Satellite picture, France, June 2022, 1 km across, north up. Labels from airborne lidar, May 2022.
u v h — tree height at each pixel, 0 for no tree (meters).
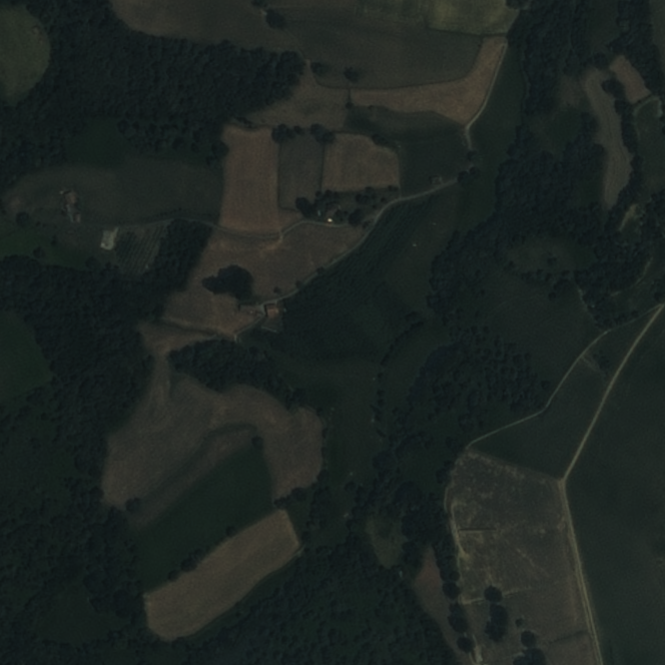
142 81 15
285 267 0
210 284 22
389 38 0
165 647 8
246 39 0
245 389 0
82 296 22
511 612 0
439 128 0
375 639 15
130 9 0
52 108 16
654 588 0
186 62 16
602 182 0
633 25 17
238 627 9
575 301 0
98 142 0
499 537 0
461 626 20
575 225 23
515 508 0
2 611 15
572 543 0
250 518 0
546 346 0
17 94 0
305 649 6
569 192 22
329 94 0
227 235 0
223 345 13
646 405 0
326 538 0
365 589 8
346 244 0
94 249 0
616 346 0
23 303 10
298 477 0
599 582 0
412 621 23
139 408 0
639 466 0
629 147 16
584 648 0
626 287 14
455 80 0
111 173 0
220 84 15
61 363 20
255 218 0
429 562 0
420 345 0
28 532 17
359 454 0
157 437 0
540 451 0
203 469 0
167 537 0
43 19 11
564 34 14
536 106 21
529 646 15
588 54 13
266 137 0
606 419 0
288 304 8
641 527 0
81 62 19
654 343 0
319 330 8
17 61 0
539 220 22
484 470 0
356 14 0
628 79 0
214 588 0
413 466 0
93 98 19
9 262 17
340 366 0
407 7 0
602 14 0
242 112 22
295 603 16
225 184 0
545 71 20
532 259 0
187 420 0
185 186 0
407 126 0
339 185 0
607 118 0
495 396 10
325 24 0
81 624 0
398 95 0
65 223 0
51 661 25
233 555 0
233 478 0
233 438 0
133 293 20
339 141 0
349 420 0
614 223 15
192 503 0
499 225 18
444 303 21
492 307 0
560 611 0
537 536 0
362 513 17
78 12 20
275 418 0
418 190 0
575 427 0
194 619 0
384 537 0
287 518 0
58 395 16
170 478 0
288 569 0
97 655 16
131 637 7
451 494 0
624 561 0
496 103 0
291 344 10
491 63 0
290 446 0
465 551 0
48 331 22
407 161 0
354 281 7
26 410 15
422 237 0
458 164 0
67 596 0
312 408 0
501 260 17
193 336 0
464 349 19
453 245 18
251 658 13
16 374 0
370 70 0
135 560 9
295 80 16
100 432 21
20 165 18
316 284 6
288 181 0
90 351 13
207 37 0
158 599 0
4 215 8
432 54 0
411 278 0
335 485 0
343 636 11
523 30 18
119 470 0
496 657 0
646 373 0
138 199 0
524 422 0
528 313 0
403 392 0
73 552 7
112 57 18
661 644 0
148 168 0
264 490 0
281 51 0
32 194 0
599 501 0
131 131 21
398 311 7
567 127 0
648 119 0
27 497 12
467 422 14
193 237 8
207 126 24
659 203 8
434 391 17
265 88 20
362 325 9
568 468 0
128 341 17
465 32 0
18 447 0
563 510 0
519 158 21
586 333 0
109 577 21
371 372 0
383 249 7
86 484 6
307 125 0
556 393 0
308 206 12
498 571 0
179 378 0
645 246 6
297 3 0
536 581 0
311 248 0
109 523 15
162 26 0
